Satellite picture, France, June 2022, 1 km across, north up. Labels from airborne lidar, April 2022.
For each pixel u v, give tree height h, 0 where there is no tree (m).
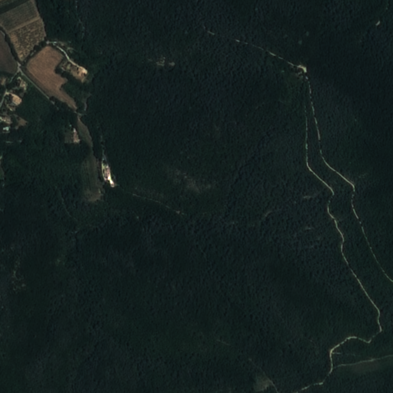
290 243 15
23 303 7
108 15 7
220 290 10
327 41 12
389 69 11
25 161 12
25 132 9
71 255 11
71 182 8
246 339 7
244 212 16
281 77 18
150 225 22
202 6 17
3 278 8
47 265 6
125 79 10
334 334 8
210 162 8
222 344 7
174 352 8
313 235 6
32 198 15
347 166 6
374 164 6
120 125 10
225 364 10
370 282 8
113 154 8
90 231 10
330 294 9
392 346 7
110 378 9
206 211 7
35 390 6
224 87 14
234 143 16
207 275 17
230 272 10
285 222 9
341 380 8
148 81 12
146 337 10
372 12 14
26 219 8
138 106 9
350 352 7
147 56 12
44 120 11
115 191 14
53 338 8
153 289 8
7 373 6
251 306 11
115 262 7
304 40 9
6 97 6
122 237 13
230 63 14
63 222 8
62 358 9
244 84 13
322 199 15
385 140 6
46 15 14
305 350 14
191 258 13
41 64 0
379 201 7
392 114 11
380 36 16
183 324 6
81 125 0
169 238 11
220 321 6
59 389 7
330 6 20
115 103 8
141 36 11
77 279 7
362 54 12
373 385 6
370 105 8
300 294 7
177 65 8
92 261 7
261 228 6
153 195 7
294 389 5
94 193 0
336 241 8
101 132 6
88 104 9
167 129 7
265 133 10
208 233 17
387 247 8
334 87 11
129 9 10
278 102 6
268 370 7
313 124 8
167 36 7
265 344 10
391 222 6
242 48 15
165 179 14
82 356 10
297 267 14
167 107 10
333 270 11
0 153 15
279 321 6
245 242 12
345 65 12
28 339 6
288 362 12
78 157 6
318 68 13
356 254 6
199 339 6
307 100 8
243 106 12
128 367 9
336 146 7
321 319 9
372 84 10
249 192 8
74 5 8
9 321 7
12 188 17
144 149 7
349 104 8
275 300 6
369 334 8
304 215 9
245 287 6
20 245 7
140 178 6
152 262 9
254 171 17
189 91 8
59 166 6
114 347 10
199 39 14
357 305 6
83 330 8
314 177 8
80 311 9
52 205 18
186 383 7
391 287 6
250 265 7
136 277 6
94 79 14
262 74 18
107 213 9
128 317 7
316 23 13
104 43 8
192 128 9
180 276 6
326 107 6
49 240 9
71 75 10
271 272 9
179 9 16
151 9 11
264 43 17
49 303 7
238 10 6
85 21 8
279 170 12
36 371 6
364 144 6
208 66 8
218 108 16
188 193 7
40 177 10
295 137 9
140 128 8
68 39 10
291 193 11
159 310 6
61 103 9
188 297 7
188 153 6
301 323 7
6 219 9
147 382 10
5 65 0
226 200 13
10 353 6
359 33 11
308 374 8
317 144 8
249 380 9
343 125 6
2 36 0
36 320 8
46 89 0
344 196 7
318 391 6
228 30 14
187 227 8
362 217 7
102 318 6
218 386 10
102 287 9
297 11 11
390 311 7
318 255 7
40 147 10
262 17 13
